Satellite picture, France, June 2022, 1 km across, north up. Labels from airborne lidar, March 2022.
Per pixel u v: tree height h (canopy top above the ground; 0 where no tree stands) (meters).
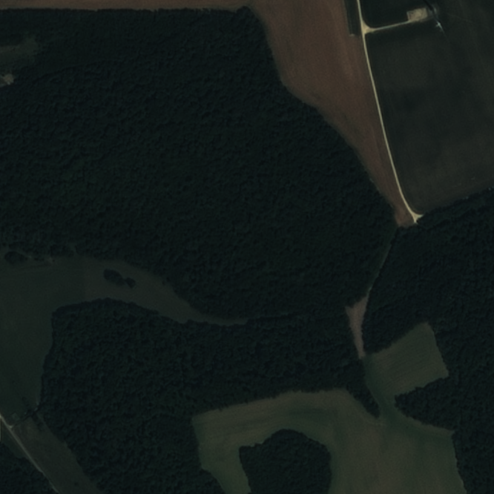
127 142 22
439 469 0
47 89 20
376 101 0
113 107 21
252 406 0
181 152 19
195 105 22
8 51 0
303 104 12
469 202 15
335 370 23
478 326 18
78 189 16
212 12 11
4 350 0
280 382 19
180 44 14
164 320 14
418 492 0
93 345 19
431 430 0
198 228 12
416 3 0
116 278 22
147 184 14
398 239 12
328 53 0
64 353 18
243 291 22
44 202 21
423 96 0
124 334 18
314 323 21
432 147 0
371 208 16
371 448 0
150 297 0
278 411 0
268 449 12
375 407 18
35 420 19
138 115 16
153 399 20
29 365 0
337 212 18
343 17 0
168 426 13
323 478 18
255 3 0
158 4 0
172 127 19
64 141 17
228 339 23
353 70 0
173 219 23
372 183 13
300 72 0
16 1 0
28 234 20
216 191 9
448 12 0
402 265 20
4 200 25
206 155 15
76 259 0
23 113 19
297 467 17
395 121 0
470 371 18
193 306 13
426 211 0
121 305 20
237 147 14
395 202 0
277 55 0
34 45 0
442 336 17
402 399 18
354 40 0
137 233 24
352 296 17
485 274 22
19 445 0
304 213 7
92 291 0
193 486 18
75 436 21
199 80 21
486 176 0
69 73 17
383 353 0
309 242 11
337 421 0
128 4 0
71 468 0
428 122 0
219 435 0
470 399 16
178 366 14
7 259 11
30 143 19
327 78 0
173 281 15
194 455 14
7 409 0
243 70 15
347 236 9
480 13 0
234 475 0
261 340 22
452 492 0
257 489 10
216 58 20
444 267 21
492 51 0
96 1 0
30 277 0
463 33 0
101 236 18
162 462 14
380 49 0
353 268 13
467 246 20
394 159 0
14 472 16
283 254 10
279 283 20
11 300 0
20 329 0
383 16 0
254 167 9
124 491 25
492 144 0
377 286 16
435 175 0
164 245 23
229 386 17
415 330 0
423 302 20
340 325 19
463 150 0
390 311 15
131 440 17
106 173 18
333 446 0
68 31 14
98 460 22
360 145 0
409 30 0
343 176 15
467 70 0
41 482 21
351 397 0
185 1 0
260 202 18
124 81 19
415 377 0
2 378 0
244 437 0
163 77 22
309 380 15
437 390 20
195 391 27
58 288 0
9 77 0
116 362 16
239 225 20
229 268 16
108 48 9
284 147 11
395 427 0
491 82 0
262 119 19
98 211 7
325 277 15
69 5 0
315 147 16
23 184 11
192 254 28
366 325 15
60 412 20
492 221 0
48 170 11
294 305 18
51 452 0
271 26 0
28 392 0
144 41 15
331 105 0
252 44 15
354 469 0
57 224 25
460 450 14
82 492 0
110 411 14
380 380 0
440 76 0
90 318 18
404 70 0
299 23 0
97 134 22
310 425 0
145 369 8
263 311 22
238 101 21
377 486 0
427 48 0
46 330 0
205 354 25
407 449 0
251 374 22
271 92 17
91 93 21
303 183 13
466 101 0
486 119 0
